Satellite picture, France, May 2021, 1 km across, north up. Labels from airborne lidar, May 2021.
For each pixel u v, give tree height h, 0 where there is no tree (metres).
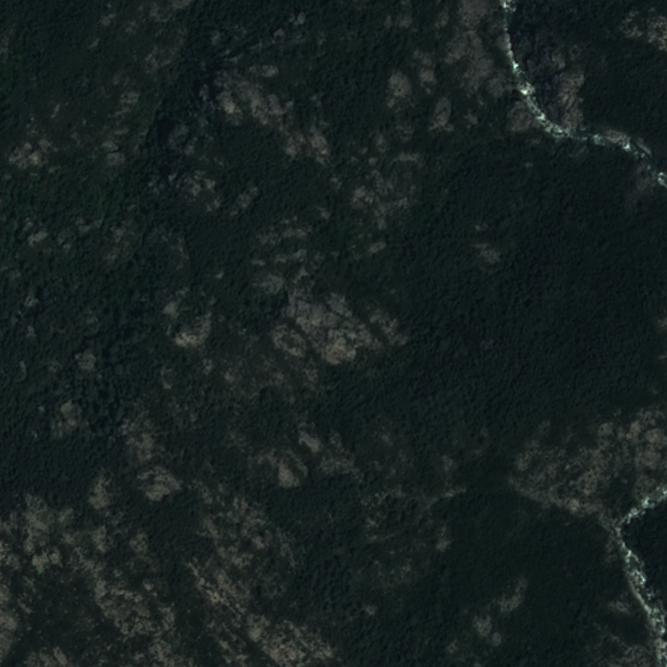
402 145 9
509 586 6
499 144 9
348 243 11
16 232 13
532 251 20
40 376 17
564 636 15
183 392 13
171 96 17
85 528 10
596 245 18
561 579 11
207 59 10
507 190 23
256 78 6
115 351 30
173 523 19
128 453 14
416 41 8
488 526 10
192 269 7
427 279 9
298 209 9
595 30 13
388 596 6
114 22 9
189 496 14
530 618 11
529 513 7
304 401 11
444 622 10
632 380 17
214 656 6
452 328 15
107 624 6
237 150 18
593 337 14
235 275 17
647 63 15
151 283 13
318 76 14
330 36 11
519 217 14
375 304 9
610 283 9
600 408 8
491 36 9
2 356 20
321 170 7
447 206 10
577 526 14
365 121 16
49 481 15
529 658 25
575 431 9
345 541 8
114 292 19
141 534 6
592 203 12
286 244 13
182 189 6
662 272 7
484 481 16
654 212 18
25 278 7
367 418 14
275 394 11
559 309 11
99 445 18
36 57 16
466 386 18
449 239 22
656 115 24
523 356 15
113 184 8
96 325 8
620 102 11
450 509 10
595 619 9
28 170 8
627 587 7
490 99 6
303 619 11
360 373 12
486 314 8
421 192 8
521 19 18
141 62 6
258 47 8
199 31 23
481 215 20
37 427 12
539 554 10
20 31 14
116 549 11
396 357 10
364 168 10
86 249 15
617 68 11
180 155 9
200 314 6
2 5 15
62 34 9
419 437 19
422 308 15
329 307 9
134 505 16
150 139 16
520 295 15
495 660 14
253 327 13
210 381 12
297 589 6
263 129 11
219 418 17
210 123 13
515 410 14
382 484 8
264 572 8
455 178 21
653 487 8
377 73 22
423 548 6
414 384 19
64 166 8
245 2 14
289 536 15
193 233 14
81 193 17
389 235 19
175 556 12
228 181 17
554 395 13
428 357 19
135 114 8
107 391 19
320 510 14
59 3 8
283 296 9
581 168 8
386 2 15
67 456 19
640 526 18
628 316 10
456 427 27
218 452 19
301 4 10
